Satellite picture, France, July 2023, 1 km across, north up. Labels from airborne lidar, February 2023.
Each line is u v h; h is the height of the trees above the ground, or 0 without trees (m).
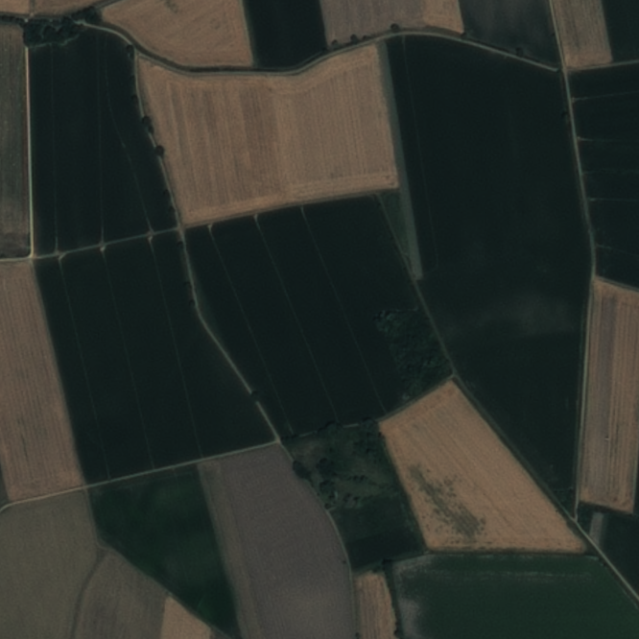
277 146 0
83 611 0
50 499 0
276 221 0
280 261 0
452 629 0
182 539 0
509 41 0
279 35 0
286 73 0
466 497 0
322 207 0
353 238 0
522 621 0
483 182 0
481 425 0
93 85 0
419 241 0
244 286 0
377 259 0
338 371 0
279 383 0
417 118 0
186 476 0
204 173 0
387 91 0
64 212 0
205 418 0
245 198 0
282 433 0
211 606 0
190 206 0
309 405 0
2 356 0
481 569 0
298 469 12
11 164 0
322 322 0
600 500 0
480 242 0
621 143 0
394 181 0
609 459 0
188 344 0
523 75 0
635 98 0
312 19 0
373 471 0
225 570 0
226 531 0
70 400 0
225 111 0
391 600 0
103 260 0
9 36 0
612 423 0
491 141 0
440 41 0
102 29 0
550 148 0
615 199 0
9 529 0
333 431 19
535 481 0
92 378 0
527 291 0
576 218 0
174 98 0
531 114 0
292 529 0
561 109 0
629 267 0
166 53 0
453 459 0
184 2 0
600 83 0
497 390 0
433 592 0
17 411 0
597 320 0
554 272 0
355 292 0
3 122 0
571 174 0
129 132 0
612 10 0
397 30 10
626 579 0
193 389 0
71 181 0
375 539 0
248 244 0
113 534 0
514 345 0
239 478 0
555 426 0
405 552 0
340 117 0
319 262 0
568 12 0
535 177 0
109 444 0
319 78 0
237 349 0
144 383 0
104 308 0
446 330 0
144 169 0
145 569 0
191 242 0
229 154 0
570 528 0
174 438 0
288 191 0
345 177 0
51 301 0
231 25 0
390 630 0
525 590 0
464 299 0
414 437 0
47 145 0
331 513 0
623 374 0
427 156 0
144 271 0
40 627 0
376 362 0
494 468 0
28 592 0
